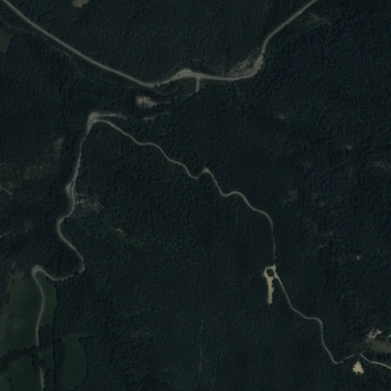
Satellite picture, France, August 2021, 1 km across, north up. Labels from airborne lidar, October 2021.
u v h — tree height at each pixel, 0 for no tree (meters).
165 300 9
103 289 11
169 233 14
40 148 11
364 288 16
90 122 0
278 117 9
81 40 12
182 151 19
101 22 13
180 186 13
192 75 0
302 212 11
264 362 11
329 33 32
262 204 13
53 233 12
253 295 17
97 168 16
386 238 21
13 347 0
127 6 13
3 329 0
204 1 12
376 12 27
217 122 19
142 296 9
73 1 12
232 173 13
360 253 12
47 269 13
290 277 12
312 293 14
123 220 13
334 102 19
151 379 18
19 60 16
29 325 0
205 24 10
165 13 12
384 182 15
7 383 0
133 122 14
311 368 12
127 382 13
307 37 18
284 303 13
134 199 15
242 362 13
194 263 13
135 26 7
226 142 15
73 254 18
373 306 17
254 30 11
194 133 17
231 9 11
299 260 14
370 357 19
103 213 9
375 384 13
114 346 13
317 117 8
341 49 23
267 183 16
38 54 20
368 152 20
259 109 14
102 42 11
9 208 16
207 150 14
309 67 21
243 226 12
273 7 8
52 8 13
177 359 6
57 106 10
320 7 11
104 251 11
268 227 11
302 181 22
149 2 12
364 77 26
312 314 12
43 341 16
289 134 17
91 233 10
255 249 13
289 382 11
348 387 12
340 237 9
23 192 12
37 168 8
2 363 12
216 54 12
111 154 16
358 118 19
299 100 19
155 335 10
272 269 12
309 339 9
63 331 16
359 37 25
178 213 15
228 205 15
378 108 19
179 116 19
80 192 7
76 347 0
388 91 24
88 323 12
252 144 17
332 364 12
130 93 9
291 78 18
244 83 17
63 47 13
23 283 0
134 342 15
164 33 13
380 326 9
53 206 12
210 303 7
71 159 9
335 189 13
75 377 0
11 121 24
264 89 10
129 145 13
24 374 0
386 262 8
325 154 9
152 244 9
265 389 11
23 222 10
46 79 13
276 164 10
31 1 14
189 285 11
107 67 0
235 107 16
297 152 13
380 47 11
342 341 7
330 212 14
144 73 13
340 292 8
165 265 11
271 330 11
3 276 12
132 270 14
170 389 9
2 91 19
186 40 13
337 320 12
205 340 8
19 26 8
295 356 16
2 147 13
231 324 11
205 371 7
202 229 12
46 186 12
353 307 11
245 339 11
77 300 16
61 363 17
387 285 15
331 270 6
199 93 13
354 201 20
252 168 16
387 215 20
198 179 8
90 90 8
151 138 14
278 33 6
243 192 11
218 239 7
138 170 11
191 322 8
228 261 9
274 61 9
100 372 10
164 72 10
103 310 21
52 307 0
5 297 10
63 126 8
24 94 21
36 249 13
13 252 13
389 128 18
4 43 0
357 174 9
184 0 10
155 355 8
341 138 21
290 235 14
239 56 13
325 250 22
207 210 10
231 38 10
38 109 18
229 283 11
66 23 10
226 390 9
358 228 18
